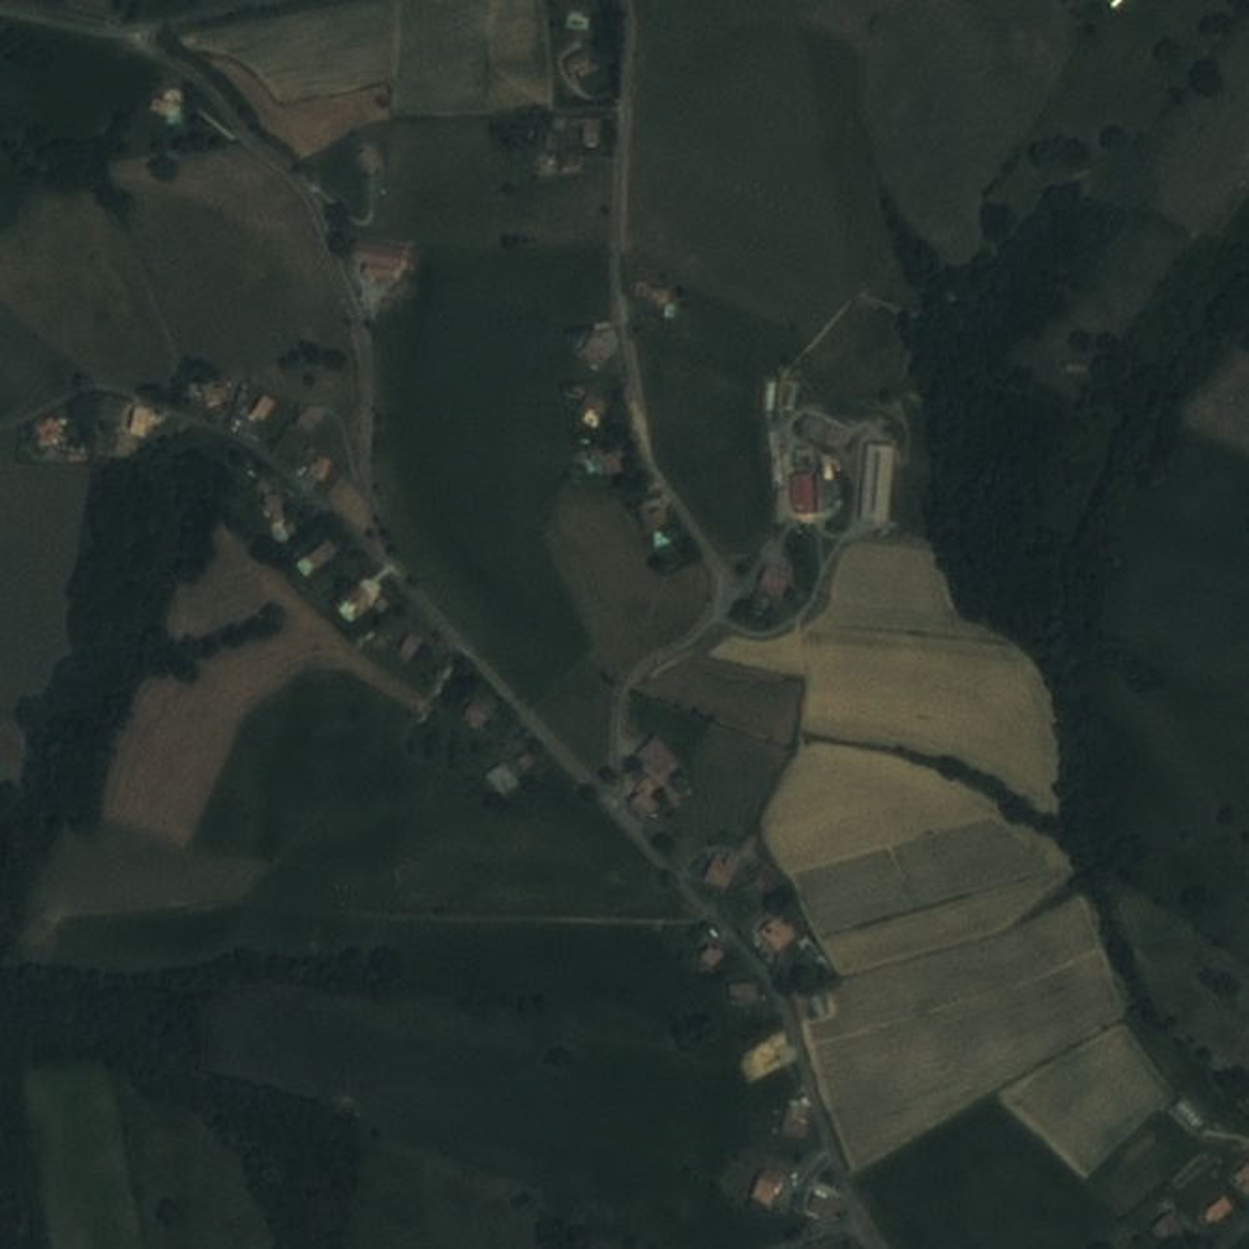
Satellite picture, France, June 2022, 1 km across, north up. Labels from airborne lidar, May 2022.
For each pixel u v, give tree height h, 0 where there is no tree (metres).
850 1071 0
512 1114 0
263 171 0
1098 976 0
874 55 0
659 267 0
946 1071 0
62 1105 0
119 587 28
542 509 0
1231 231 0
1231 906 0
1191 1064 0
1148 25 0
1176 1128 0
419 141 0
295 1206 24
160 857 0
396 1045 0
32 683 0
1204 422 0
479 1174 0
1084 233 8
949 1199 0
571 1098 0
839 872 0
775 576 0
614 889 0
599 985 0
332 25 0
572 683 0
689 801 0
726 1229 0
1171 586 0
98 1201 0
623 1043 0
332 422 0
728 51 0
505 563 0
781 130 0
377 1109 0
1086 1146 0
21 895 18
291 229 0
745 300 0
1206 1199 0
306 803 0
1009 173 8
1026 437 19
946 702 0
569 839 0
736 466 0
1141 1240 7
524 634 0
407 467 0
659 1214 0
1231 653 0
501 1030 0
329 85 0
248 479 0
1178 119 0
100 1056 17
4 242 0
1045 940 0
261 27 0
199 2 12
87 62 0
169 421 0
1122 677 11
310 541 15
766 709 0
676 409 0
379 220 0
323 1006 0
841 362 0
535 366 0
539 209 0
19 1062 16
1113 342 11
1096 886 18
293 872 0
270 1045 0
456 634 0
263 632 17
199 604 0
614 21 15
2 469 0
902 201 0
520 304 0
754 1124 0
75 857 0
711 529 0
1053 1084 0
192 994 14
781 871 0
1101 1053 0
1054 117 0
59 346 0
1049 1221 0
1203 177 0
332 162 0
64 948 0
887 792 0
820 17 0
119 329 0
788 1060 0
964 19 0
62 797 22
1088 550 27
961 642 0
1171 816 0
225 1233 0
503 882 0
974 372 6
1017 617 16
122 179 0
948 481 20
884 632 0
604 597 0
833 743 0
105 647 18
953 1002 0
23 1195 7
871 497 0
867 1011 0
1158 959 0
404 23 0
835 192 0
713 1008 0
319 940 0
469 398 0
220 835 0
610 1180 0
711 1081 0
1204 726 0
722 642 0
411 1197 0
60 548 0
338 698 0
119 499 18
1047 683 6
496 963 0
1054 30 0
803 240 0
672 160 0
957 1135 0
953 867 0
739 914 0
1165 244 0
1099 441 0
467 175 0
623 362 0
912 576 0
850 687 0
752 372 0
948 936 0
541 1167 0
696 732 0
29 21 0
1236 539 0
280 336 0
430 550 0
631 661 0
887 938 0
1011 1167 0
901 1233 0
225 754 0
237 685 0
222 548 0
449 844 0
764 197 0
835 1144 0
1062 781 9
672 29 0
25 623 0
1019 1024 0
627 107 0
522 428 0
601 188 0
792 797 0
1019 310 13
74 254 0
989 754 0
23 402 0
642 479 8
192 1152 0
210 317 0
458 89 0
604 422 6
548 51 0
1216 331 18
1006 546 26
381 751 0
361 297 0
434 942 0
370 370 0
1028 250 19
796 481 0
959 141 0
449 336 0
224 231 0
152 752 0
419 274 0
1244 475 0
